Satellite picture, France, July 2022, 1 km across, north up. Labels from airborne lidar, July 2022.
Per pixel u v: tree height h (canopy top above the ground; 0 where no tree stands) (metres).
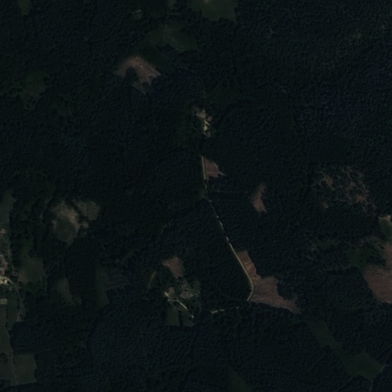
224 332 22
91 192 19
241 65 24
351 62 18
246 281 22
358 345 25
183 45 0
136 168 14
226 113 19
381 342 23
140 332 30
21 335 31
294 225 17
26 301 10
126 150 25
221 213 37
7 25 23
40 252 17
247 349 20
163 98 37
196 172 17
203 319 31
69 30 34
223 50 27
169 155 16
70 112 19
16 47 21
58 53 21
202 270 18
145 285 19
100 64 23
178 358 30
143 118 19
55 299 7
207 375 19
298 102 20
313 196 26
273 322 32
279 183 14
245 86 25
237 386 0
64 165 18
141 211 13
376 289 0
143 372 37
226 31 20
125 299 32
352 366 0
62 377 21
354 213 9
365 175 11
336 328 20
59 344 19
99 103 18
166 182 19
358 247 12
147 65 0
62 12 15
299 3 21
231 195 32
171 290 0
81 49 34
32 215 17
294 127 17
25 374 0
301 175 26
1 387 15
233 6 0
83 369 20
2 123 17
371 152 9
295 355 27
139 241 27
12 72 25
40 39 37
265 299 0
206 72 24
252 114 18
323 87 30
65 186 15
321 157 13
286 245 29
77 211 8
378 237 22
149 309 26
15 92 13
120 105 20
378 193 23
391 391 24
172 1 0
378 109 23
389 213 18
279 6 18
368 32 12
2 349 0
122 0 36
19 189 21
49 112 22
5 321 0
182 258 27
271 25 21
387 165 17
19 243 24
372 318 21
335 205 11
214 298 20
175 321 0
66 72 21
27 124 21
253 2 18
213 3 0
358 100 23
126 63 0
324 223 16
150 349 26
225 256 22
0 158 26
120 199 8
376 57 28
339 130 18
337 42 18
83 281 8
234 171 18
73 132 17
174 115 14
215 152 17
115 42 25
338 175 11
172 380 21
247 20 32
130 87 24
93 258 7
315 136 12
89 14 20
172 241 21
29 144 17
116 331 38
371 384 30
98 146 9
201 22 16
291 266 31
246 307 14
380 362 27
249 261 0
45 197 24
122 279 0
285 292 31
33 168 22
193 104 17
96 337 30
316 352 29
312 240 22
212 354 30
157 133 12
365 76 27
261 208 0
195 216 41
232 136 13
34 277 0
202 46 14
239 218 36
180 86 35
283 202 20
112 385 10
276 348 18
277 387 28
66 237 0
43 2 18
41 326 33
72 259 8
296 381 27
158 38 0
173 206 10
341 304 29
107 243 22
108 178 12
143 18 7
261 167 11
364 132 15
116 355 27
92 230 7
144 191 22
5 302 0
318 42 17
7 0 28
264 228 31
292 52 21
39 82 0
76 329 11
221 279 22
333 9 16
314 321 19
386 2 8
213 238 42
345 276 30
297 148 23
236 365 14
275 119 14
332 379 22
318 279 23
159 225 11
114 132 21
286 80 28
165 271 27
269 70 26
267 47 18
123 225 19
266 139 15
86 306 18
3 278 0
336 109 14
